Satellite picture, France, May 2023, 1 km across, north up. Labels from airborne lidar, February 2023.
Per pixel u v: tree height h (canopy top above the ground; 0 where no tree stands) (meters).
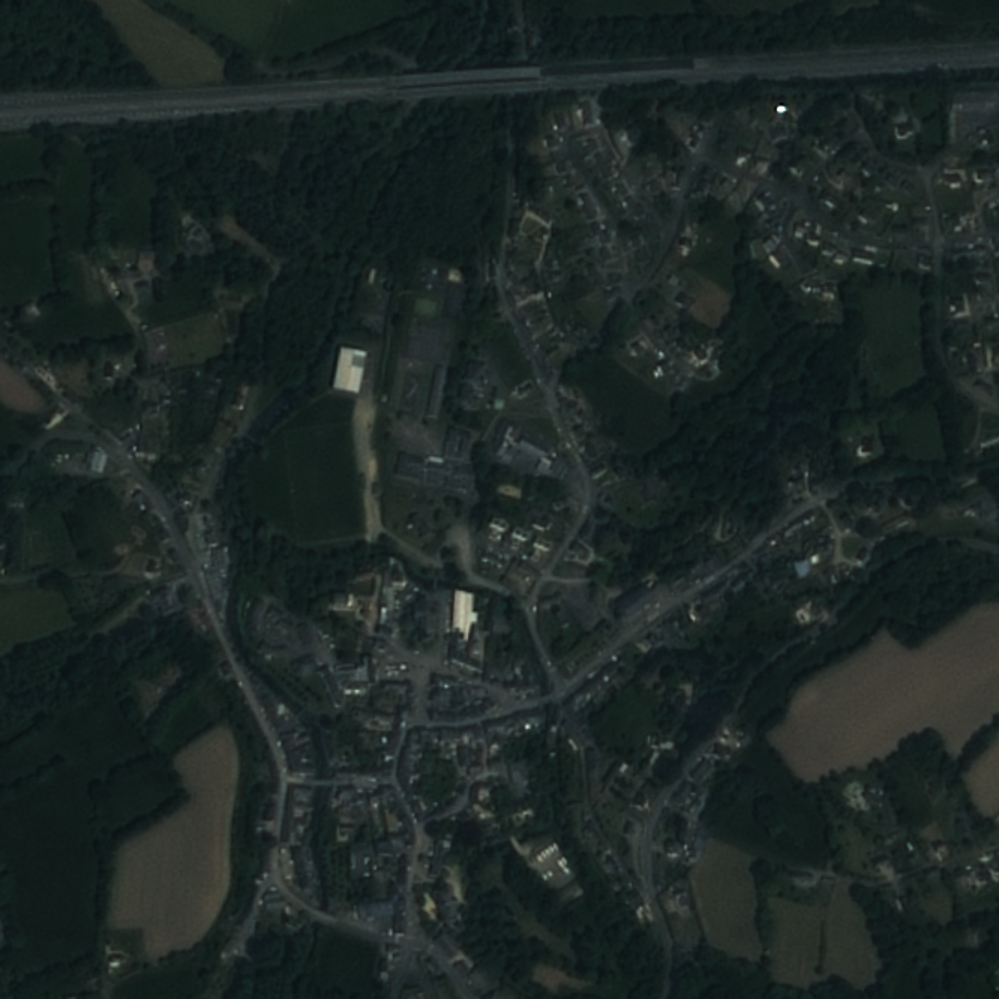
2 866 13
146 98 0
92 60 7
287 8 0
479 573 0
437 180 14
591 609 0
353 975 0
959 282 0
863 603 8
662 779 25
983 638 0
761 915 12
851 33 14
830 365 17
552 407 0
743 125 0
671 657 15
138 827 12
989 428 0
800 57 0
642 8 0
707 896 0
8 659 7
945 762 12
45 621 0
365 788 0
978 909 0
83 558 16
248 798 10
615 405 0
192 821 0
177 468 10
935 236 0
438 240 16
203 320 0
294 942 11
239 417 0
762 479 31
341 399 0
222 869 0
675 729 9
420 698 0
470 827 17
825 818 10
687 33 13
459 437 0
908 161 13
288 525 0
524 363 0
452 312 0
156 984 0
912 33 11
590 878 11
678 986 23
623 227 9
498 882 0
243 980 18
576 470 0
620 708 0
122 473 0
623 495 0
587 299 0
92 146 8
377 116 17
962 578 12
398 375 0
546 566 0
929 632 13
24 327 7
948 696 0
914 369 0
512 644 6
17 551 20
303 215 7
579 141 0
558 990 0
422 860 7
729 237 0
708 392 0
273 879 0
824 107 15
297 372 15
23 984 10
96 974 9
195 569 0
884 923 8
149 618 18
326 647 0
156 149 20
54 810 0
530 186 9
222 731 0
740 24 6
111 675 14
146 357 11
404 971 0
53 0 10
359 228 16
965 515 0
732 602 13
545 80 0
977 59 0
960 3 0
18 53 14
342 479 0
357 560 13
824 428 7
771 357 14
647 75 0
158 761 13
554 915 17
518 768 0
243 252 20
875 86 12
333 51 10
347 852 7
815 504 0
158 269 16
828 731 0
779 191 0
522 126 15
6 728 7
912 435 0
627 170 6
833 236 0
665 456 19
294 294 13
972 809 10
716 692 14
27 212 0
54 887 0
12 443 0
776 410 8
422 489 0
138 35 0
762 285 11
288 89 0
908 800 0
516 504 6
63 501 16
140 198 0
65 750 0
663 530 8
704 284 0
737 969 14
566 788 11
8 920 13
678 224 0
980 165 10
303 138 16
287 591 7
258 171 11
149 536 0
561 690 0
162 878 0
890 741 0
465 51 16
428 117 19
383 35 8
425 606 0
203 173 25
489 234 8
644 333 0
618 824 0
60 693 20
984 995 0
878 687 0
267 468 0
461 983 0
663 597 0
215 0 0
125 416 0
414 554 0
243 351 12
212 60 0
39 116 0
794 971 0
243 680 0
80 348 9
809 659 0
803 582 0
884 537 0
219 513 9
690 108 14
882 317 0
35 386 8
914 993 0
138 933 0
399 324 10
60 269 13
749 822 0
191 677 11
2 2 15
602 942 13
